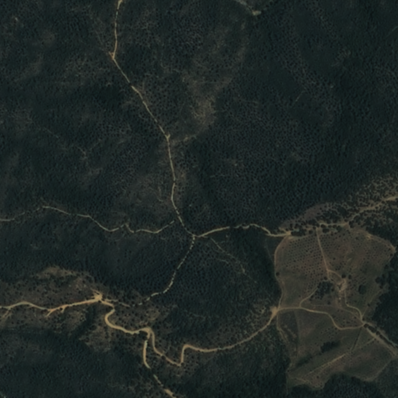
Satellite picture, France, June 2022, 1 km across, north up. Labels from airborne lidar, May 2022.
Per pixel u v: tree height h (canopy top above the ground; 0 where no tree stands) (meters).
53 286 0
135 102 8
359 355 0
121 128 12
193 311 6
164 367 8
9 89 10
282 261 0
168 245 11
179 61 13
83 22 11
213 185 11
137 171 11
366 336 0
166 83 13
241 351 6
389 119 10
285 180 7
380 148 7
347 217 8
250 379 10
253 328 6
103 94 14
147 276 17
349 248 0
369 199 7
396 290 7
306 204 14
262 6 6
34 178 10
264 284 6
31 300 0
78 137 9
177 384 8
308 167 5
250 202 12
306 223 7
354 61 11
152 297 9
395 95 10
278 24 16
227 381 6
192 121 0
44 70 8
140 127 11
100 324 7
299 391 8
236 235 9
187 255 7
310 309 0
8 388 8
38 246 6
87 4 8
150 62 6
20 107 11
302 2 16
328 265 0
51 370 7
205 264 9
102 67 6
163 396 9
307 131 15
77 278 8
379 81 8
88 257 7
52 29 7
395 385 8
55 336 8
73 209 7
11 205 7
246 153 9
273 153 13
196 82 0
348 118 15
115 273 9
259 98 14
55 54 6
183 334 7
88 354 17
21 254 7
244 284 8
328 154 9
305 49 7
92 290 0
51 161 8
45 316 0
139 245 0
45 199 10
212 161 14
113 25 10
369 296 0
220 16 10
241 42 7
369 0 17
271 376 12
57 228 11
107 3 6
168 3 7
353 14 6
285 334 0
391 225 7
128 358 10
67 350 11
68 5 9
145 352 0
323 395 10
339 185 14
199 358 9
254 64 11
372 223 8
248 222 13
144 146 11
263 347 8
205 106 0
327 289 7
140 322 0
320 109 15
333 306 0
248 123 11
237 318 7
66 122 9
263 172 16
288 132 9
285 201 9
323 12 12
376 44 7
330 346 8
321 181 14
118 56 7
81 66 9
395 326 6
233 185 11
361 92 6
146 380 7
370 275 0
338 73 6
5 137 19
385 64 15
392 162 9
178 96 8
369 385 10
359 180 7
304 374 0
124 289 6
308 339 0
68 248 7
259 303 5
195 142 12
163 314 8
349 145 14
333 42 10
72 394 7
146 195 0
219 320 6
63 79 9
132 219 8
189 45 13
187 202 12
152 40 11
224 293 6
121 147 7
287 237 0
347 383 8
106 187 10
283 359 8
